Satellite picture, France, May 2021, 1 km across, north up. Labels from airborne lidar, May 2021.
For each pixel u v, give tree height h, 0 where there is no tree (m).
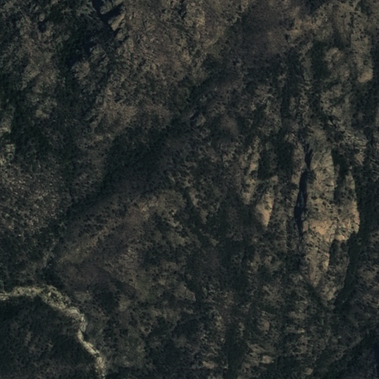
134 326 16
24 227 29
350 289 16
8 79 28
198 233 15
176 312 16
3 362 21
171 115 21
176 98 21
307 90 18
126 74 21
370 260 13
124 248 14
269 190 7
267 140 5
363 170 15
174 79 16
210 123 12
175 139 15
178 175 8
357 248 20
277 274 22
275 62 9
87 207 21
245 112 14
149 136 19
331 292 0
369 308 13
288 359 17
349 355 23
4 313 10
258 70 19
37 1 14
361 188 6
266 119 8
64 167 29
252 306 14
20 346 14
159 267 11
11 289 25
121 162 18
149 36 15
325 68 19
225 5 11
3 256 22
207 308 9
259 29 11
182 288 0
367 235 16
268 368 22
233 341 22
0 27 14
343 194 11
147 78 22
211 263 15
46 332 18
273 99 14
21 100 7
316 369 19
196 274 16
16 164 27
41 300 14
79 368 9
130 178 16
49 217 16
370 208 17
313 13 12
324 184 0
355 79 16
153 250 10
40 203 28
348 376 14
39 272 26
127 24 15
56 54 9
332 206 6
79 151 13
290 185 14
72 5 21
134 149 15
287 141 11
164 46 14
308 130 14
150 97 20
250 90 15
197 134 12
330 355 9
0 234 21
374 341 16
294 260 8
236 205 23
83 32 8
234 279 13
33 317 16
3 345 14
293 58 20
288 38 17
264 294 14
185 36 8
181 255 13
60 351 22
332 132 19
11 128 8
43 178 27
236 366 14
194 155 18
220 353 14
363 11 17
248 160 8
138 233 18
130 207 7
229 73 13
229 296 15
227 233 13
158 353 18
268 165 18
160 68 25
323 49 13
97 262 17
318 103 20
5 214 19
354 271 17
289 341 9
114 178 24
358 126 23
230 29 19
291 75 16
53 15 9
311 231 20
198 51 10
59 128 20
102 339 0
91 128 17
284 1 11
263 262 11
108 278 19
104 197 19
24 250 25
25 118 25
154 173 15
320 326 13
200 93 24
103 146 8
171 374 17
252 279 8
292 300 8
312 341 12
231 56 16
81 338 0
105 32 14
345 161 6
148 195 14
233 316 22
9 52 7
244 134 12
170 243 13
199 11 13
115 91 17
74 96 20
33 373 18
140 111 7
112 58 19
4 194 19
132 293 13
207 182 12
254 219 19
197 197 10
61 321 16
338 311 23
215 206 9
